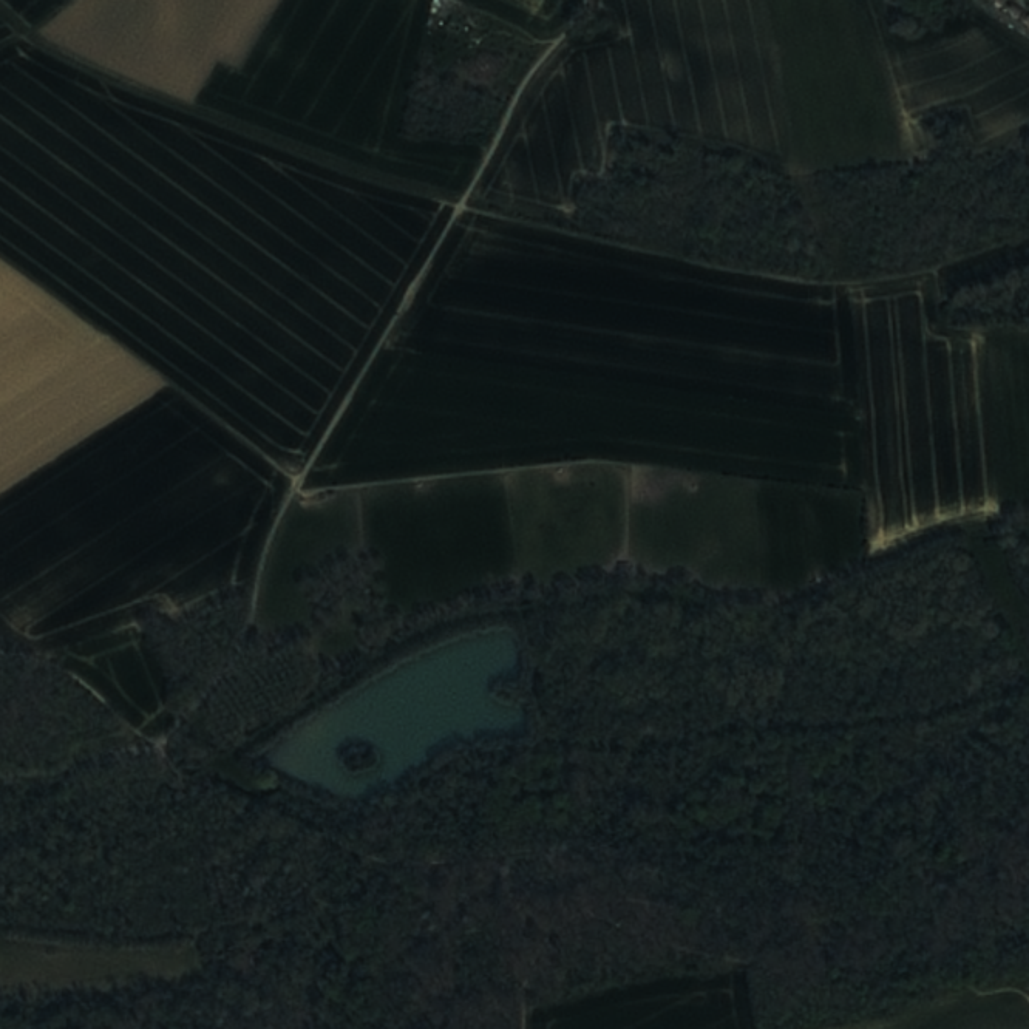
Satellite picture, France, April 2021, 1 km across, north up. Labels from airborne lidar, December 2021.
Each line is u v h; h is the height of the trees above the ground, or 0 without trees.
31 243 0
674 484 0
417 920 20
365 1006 27
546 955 24
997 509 0
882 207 18
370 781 0
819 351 0
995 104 0
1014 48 0
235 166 0
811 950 29
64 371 0
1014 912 22
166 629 23
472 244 0
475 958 23
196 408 0
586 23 27
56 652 0
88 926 8
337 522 0
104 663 0
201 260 0
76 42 0
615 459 0
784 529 0
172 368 0
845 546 0
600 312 0
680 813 27
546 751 22
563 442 0
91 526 0
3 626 0
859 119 0
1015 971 18
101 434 0
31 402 0
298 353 0
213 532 0
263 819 33
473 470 0
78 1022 13
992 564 0
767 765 27
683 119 0
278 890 20
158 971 0
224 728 36
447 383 0
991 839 20
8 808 26
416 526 0
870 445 0
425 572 0
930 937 23
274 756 0
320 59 0
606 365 0
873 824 23
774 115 0
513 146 0
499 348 0
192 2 0
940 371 0
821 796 26
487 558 0
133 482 0
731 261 20
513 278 0
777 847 24
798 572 0
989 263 0
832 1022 14
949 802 19
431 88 8
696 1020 0
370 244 0
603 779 11
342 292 0
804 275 20
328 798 19
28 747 28
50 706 26
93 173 0
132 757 0
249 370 0
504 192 0
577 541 0
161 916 9
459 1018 25
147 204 0
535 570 0
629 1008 0
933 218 22
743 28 0
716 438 0
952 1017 0
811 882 20
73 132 0
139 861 11
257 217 0
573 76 0
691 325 0
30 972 0
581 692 17
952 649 22
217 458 0
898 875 25
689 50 0
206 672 30
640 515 0
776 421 0
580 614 26
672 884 24
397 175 0
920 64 0
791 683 21
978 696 18
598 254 0
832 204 8
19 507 0
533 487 0
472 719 0
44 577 0
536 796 20
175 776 27
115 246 0
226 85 0
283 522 0
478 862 28
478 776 17
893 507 0
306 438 0
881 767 14
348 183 0
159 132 0
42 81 0
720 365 0
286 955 19
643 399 0
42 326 0
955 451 0
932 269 9
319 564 0
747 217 17
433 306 0
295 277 0
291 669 37
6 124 0
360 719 0
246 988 31
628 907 28
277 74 0
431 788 16
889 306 0
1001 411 0
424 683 0
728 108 0
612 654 6
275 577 0
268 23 0
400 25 0
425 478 0
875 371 0
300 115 0
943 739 13
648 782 12
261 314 0
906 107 0
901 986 17
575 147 0
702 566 0
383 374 0
